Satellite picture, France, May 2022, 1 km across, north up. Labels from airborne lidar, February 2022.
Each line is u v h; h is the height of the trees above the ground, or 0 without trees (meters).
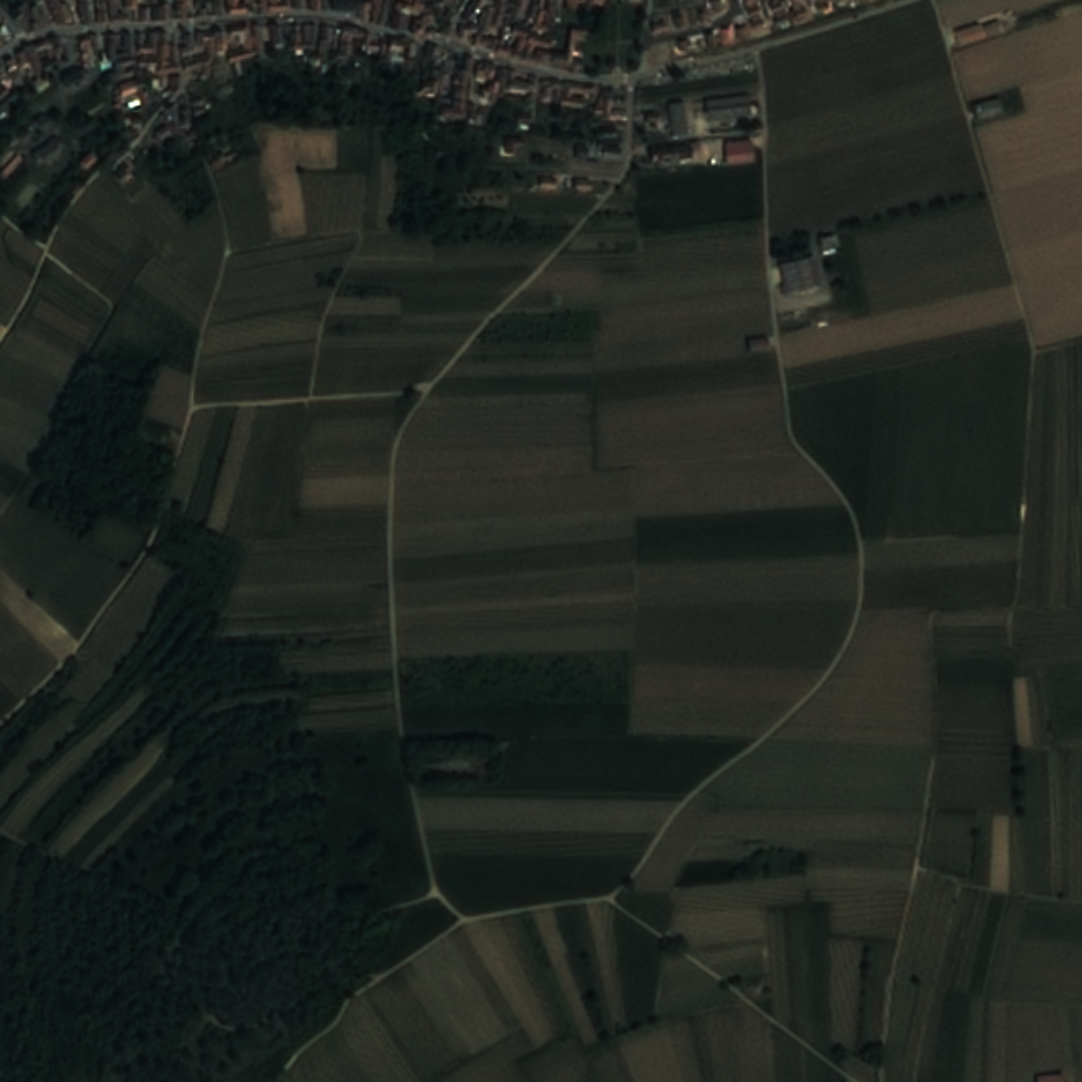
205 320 0
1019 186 0
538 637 0
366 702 0
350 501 0
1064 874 0
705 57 0
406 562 0
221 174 0
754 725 0
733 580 0
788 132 0
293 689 7
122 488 17
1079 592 0
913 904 0
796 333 0
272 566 0
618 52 0
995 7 0
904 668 0
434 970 0
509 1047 0
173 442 0
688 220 0
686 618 0
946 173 0
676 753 0
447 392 0
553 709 0
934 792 0
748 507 0
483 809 0
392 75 17
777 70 0
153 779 0
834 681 0
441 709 0
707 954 0
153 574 0
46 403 0
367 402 0
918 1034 0
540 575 0
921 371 0
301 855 18
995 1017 0
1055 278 0
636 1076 0
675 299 0
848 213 0
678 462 0
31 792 0
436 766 0
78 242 0
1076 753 0
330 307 0
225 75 0
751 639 0
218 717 9
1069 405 0
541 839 0
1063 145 0
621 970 0
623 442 0
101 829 0
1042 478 0
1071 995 0
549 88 0
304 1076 0
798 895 0
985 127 0
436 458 0
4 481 0
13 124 7
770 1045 0
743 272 0
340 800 0
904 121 0
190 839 9
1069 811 0
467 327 0
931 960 0
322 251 0
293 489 0
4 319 0
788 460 0
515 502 0
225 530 0
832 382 0
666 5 0
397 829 0
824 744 0
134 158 0
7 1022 11
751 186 0
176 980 15
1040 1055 0
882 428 0
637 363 0
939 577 0
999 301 0
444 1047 0
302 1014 17
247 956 18
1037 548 0
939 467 0
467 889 0
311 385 0
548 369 0
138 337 0
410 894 0
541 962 0
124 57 0
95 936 8
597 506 0
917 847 0
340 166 0
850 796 0
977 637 0
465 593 0
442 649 0
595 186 0
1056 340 0
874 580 0
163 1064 17
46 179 0
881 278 0
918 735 0
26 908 0
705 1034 0
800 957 0
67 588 0
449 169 11
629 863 0
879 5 0
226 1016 12
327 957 19
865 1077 0
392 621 0
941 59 0
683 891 0
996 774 0
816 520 0
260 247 0
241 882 21
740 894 0
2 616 0
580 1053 0
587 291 0
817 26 0
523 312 0
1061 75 0
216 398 0
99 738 0
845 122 0
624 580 0
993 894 0
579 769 0
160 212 0
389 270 0
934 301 0
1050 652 0
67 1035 7
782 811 0
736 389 0
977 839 11
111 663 0
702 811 0
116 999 16
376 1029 0
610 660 0
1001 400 0
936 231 0
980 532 0
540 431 0
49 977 7
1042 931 0
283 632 0
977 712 0
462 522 0
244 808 8
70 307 0
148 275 0
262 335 0
